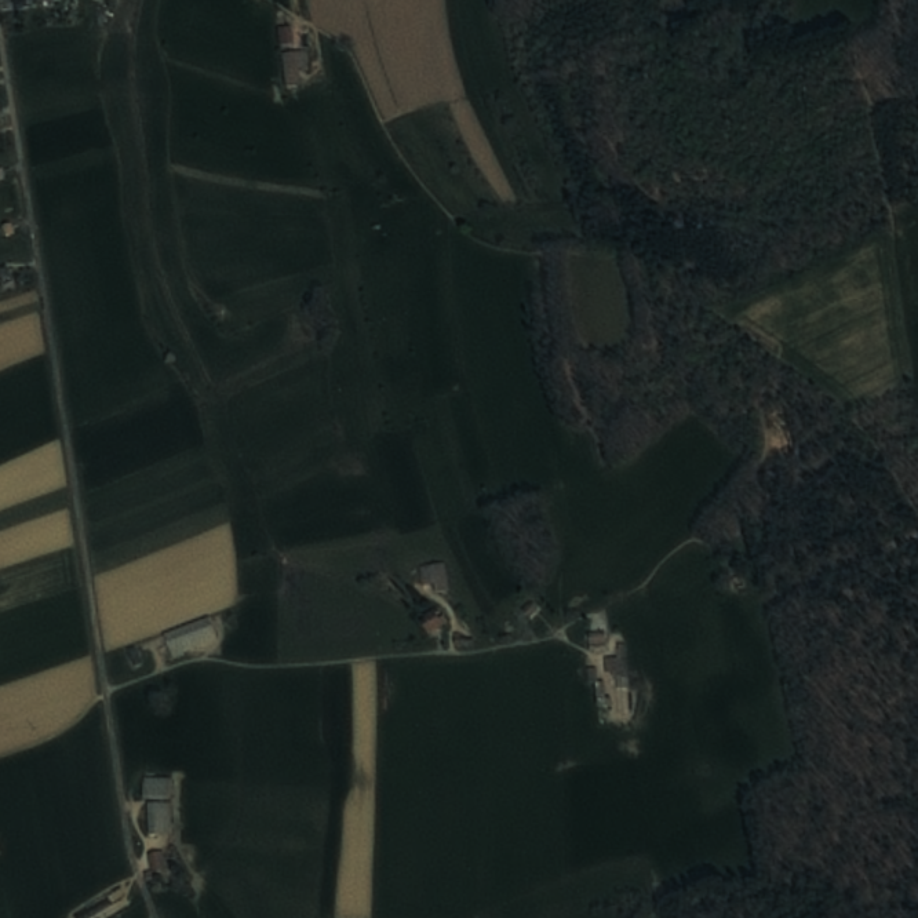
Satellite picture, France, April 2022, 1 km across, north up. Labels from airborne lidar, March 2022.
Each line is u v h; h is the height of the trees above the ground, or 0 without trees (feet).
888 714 64
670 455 0
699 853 0
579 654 0
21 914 0
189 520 0
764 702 0
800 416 38
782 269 57
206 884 0
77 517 0
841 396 0
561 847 0
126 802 0
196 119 0
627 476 0
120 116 0
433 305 0
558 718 0
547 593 28
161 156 0
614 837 0
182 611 0
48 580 0
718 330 38
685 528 0
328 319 57
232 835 0
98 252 0
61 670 0
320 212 0
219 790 0
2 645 0
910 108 26
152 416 0
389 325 0
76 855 0
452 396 0
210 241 0
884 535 50
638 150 27
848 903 43
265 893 0
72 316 0
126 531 0
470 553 0
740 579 39
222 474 0
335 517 0
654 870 0
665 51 38
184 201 0
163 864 0
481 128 0
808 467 57
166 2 0
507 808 0
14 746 0
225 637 0
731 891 63
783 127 37
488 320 0
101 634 0
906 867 43
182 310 0
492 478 0
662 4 22
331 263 0
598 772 0
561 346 76
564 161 27
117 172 0
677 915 65
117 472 0
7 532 0
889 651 28
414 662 0
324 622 0
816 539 61
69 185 0
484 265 0
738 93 20
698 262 55
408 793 0
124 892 0
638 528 0
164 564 0
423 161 0
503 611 0
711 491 0
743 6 81
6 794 0
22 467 0
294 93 0
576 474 0
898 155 36
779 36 82
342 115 0
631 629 0
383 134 0
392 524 0
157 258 0
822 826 62
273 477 0
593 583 0
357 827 0
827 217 45
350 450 0
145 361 0
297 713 0
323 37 0
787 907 50
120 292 0
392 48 0
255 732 0
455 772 0
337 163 0
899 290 0
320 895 0
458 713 0
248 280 0
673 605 0
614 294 0
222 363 0
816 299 0
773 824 67
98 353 0
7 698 0
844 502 65
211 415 0
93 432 0
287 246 0
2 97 0
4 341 0
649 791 0
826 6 0
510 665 0
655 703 0
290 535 0
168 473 0
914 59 75
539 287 0
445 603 0
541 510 71
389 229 0
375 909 0
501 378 0
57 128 0
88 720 0
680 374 51
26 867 0
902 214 0
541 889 0
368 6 0
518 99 0
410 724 0
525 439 0
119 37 0
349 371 0
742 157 20
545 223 0
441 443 0
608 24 27
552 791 0
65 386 0
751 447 51
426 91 0
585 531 0
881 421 31
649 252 69
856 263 0
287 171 0
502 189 0
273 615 0
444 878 0
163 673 0
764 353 55
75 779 0
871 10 0
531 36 23
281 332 0
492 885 0
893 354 0
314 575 0
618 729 0
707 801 0
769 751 0
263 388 0
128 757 0
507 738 0
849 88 38
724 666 0
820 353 0
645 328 86
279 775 0
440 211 0
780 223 47
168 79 0
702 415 54
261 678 0
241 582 0
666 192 53
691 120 31
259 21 0
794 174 31
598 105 61
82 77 0
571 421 71
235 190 0
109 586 0
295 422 0
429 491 0
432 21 0
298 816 0
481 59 0
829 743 68
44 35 0
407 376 0
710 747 0
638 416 85
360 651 0
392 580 0
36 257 0
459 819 0
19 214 0
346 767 0
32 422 0
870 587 63
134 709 0
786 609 64
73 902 0
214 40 0
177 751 0
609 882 0
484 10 0
